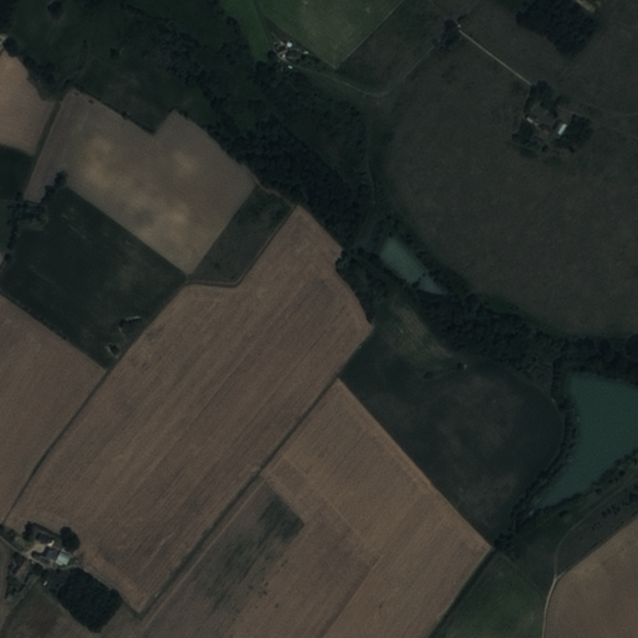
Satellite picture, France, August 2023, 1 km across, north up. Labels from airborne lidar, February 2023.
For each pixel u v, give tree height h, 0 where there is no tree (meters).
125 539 0
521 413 0
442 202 0
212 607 0
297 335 0
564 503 8
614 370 19
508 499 0
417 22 0
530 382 0
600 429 0
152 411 0
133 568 0
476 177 0
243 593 0
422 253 11
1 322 0
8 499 0
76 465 0
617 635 0
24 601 0
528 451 0
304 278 0
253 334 0
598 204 0
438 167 0
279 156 17
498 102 0
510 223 0
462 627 0
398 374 0
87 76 0
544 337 15
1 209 0
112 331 0
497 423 0
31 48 0
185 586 0
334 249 0
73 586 16
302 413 0
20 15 0
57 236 0
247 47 7
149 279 0
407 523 0
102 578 0
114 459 0
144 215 0
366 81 0
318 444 0
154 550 0
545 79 0
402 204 0
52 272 0
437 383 0
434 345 0
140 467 0
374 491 0
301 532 0
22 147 0
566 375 0
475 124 0
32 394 0
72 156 0
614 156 0
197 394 0
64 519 0
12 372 0
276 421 0
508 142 0
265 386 0
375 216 0
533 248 0
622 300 0
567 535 0
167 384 0
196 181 0
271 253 0
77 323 0
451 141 0
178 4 0
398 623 0
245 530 0
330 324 0
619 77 0
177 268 0
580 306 0
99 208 0
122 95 0
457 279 7
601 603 0
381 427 0
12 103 0
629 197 0
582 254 0
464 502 0
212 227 0
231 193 0
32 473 0
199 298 0
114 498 0
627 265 0
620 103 0
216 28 0
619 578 0
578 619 0
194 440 0
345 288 0
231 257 0
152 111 0
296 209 0
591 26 14
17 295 0
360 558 0
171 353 0
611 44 0
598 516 0
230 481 0
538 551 0
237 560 0
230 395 0
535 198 0
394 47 0
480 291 0
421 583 0
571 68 0
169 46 17
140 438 0
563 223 0
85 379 0
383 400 0
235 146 13
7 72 0
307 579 0
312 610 0
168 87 0
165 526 0
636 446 0
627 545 0
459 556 0
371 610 0
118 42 0
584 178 0
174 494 0
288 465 0
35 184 0
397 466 0
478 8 0
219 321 0
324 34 0
